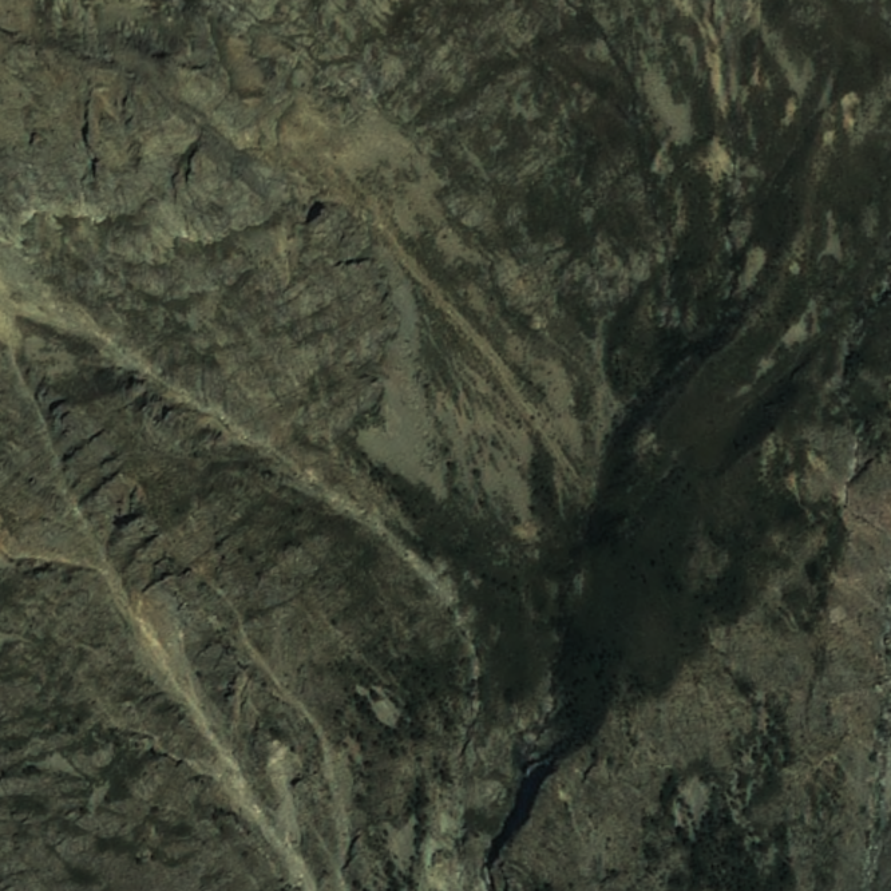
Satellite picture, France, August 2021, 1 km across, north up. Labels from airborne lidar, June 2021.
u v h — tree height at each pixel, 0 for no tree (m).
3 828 0
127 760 0
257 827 0
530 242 0
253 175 0
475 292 0
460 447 0
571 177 0
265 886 0
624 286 0
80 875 0
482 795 0
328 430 0
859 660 0
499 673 0
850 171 0
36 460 0
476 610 0
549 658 0
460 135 0
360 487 0
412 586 0
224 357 0
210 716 0
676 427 0
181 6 0
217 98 0
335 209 0
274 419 0
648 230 0
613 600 0
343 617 0
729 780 0
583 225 0
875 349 0
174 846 0
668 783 8
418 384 0
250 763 0
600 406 0
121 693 0
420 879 0
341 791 0
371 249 0
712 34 0
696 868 8
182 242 0
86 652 0
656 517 0
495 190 0
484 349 0
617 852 0
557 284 0
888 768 0
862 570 0
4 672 0
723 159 0
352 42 0
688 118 0
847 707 0
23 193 0
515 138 0
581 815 0
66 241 0
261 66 0
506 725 0
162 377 0
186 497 0
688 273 0
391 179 0
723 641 0
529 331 0
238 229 0
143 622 0
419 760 7
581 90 0
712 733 0
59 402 0
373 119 0
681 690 0
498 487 0
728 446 0
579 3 0
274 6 0
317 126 0
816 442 0
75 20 0
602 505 0
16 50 0
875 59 0
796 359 0
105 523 0
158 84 0
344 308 0
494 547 0
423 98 0
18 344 0
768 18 0
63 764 0
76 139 0
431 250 0
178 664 0
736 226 0
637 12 0
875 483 0
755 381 0
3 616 0
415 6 0
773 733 10
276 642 0
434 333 0
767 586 0
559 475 0
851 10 0
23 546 0
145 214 0
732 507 0
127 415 0
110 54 0
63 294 0
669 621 0
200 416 0
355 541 0
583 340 0
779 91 0
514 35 0
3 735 0
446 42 0
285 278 0
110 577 0
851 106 0
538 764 0
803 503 6
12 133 0
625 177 0
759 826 0
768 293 0
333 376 0
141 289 0
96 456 0
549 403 0
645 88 0
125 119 0
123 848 0
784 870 7
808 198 0
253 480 0
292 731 0
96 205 0
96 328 0
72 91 0
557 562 0
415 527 0
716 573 0
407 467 0
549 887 12
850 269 0
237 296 0
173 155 0
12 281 0
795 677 0
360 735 9
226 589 0
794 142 0
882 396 0
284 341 0
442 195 0
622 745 0
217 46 0
